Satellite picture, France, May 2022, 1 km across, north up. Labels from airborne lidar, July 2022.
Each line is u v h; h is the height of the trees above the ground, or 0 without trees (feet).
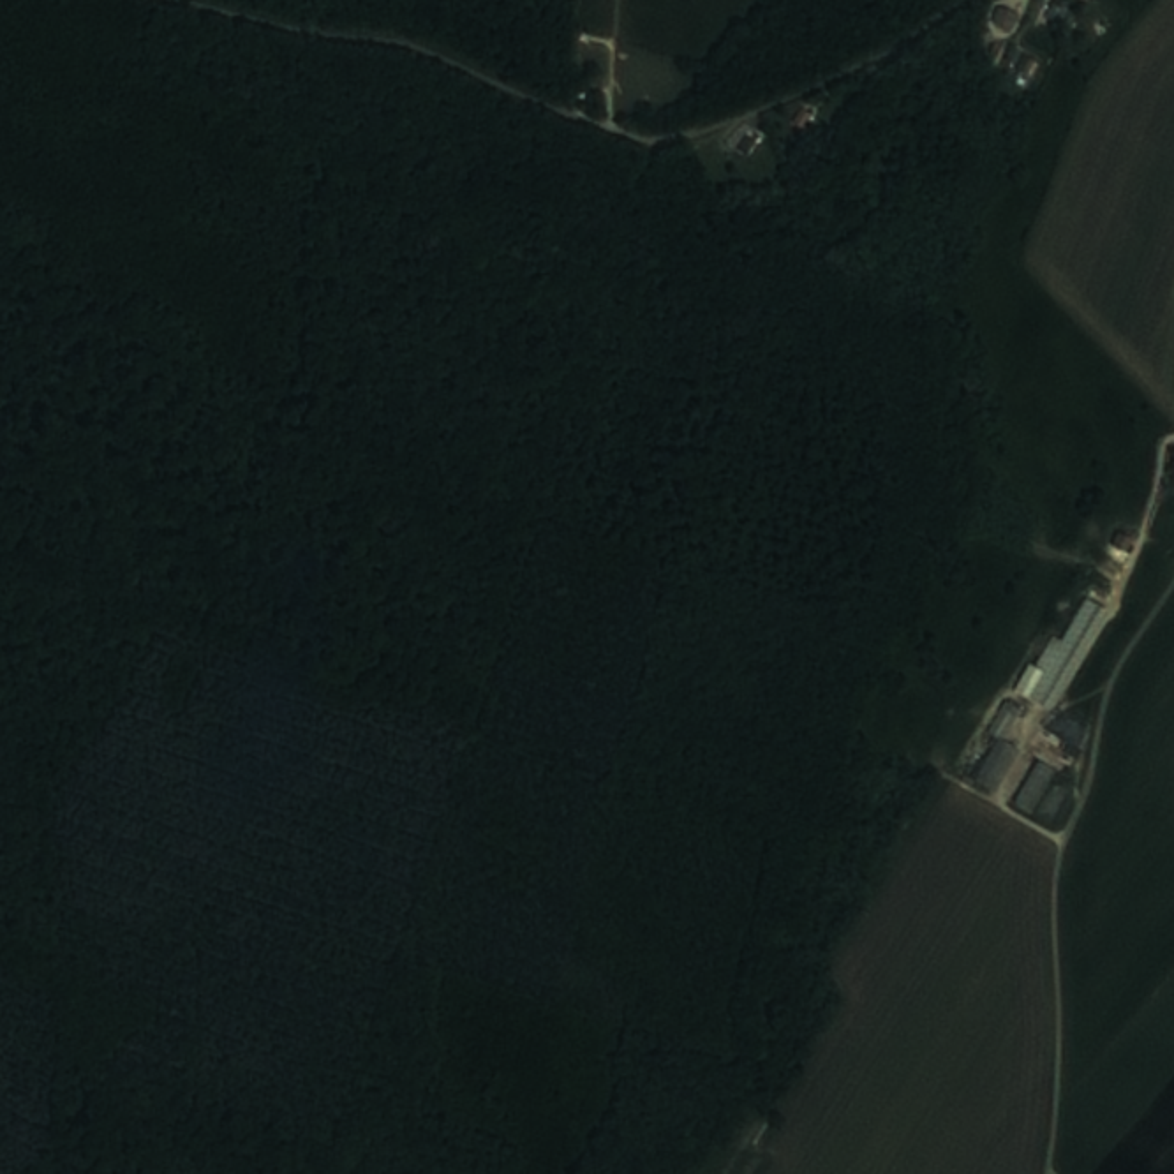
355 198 71
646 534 58
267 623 38
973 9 56
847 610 45
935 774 48
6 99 38
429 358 67
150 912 46
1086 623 0
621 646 34
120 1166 65
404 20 54
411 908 29
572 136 56
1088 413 0
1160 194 0
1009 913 0
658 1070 63
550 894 51
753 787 55
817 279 65
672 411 70
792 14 66
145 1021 41
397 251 50
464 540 62
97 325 51
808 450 51
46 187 46
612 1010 48
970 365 80
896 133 66
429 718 47
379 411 59
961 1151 0
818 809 82
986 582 0
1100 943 0
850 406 58
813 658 57
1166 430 0
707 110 57
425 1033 52
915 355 77
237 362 31
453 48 43
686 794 31
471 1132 43
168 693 47
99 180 40
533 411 61
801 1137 0
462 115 52
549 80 58
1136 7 0
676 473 72
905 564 58
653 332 58
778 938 58
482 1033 25
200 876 56
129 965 38
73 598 53
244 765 53
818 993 65
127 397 66
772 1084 86
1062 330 0
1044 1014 0
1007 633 0
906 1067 0
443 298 63
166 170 32
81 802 48
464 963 38
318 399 94
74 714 55
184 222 32
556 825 38
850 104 45
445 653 64
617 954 34
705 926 43
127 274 32
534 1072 31
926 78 56
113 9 29
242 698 53
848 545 66
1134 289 0
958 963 0
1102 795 0
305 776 52
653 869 31
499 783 51
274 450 58
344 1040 41
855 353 55
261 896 39
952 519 76
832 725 57
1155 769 0
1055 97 0
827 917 42
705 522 22
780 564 53
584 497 54
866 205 52
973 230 25
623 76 0
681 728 52
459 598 55
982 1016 0
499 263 59
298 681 46
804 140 64
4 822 60
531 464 54
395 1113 51
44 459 61
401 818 47
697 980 38
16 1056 44
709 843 43
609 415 59
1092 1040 0
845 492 59
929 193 48
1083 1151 0
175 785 49
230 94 41
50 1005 39
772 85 70
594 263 61
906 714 0
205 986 45
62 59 29
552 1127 29
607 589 37
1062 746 0
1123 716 0
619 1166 62
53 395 77
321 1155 58
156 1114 55
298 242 33
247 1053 52
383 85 50
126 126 35
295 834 50
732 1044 32
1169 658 0
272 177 35
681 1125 63
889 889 0
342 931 44
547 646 38
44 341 60
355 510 84
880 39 68
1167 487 26
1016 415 0
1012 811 0
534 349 73
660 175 63
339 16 56
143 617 56
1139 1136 0
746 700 39
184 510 66
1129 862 0
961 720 0
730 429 56
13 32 29
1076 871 0
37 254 68
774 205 36
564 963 47
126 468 59
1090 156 0
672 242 77
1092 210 0
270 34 51
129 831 53
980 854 0
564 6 52
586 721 40
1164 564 0
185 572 66
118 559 58
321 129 57
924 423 76
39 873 54
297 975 46
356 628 73
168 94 53
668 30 0
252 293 47
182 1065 45
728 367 65
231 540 42
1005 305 0
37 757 57
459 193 70
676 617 42
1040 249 0
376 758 52
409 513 65
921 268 92
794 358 48
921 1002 0
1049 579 0
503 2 62
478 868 51
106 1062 46
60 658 56
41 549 49
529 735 40
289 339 48
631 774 41
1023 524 67
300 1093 36
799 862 79
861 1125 0
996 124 77
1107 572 0
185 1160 58
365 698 52
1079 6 31
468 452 72
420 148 54
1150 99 0
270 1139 67
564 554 37
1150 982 0
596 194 53
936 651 37
